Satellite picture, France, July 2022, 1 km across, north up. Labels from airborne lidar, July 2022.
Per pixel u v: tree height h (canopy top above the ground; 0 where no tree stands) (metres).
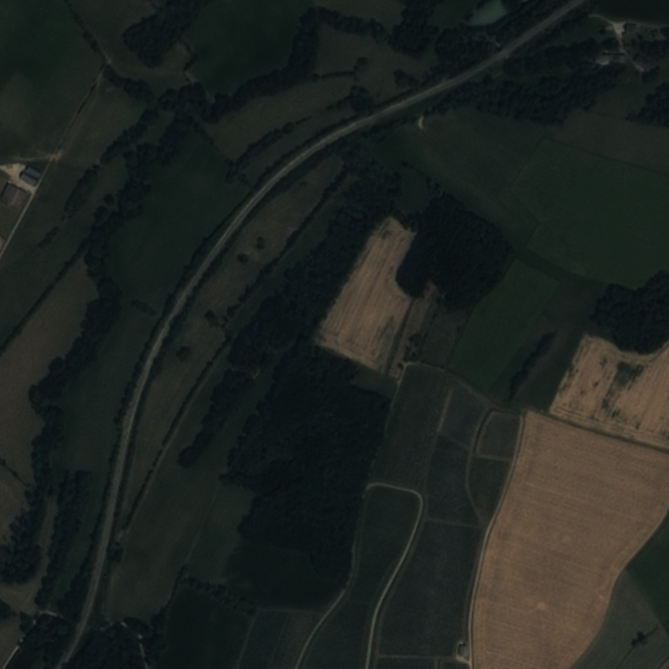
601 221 0
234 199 0
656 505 0
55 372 17
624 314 23
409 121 12
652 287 15
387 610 0
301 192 0
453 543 0
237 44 0
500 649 0
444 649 0
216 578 0
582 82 21
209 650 0
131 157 22
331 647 0
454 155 0
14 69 0
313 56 25
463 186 0
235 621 0
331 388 19
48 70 0
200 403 0
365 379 0
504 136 0
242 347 21
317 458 24
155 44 18
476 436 0
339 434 23
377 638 0
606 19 0
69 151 0
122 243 0
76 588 18
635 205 0
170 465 0
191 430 0
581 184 0
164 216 0
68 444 0
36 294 0
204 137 11
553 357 0
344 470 21
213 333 0
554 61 21
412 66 0
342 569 14
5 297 0
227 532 0
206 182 0
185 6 19
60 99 0
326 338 0
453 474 0
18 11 0
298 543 16
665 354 0
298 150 7
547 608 0
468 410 0
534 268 0
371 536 0
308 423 23
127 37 13
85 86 0
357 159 24
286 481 14
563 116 6
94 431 0
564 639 0
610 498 0
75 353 19
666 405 0
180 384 0
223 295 0
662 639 0
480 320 0
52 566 12
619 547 0
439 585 0
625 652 0
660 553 0
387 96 0
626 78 0
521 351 0
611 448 0
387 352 0
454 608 0
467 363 0
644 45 14
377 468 0
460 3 0
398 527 0
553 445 0
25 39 0
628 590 0
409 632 0
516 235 0
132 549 0
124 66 0
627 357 0
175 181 0
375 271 0
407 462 0
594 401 0
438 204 19
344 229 20
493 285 8
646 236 0
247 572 0
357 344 0
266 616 0
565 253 0
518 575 0
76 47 0
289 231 0
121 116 0
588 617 0
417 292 19
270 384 0
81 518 7
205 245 9
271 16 0
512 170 0
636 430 0
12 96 0
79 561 0
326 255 18
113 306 23
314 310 21
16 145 0
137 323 0
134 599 0
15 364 0
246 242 0
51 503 0
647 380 0
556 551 0
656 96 8
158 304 0
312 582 0
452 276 20
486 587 0
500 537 0
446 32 10
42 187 0
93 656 26
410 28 15
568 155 0
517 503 0
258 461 11
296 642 0
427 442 0
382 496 0
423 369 0
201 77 0
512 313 0
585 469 0
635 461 0
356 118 7
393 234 0
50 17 0
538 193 0
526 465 0
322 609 0
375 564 0
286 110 0
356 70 8
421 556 0
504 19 9
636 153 0
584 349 0
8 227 0
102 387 0
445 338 0
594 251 0
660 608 0
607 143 0
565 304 0
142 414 6
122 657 24
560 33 14
